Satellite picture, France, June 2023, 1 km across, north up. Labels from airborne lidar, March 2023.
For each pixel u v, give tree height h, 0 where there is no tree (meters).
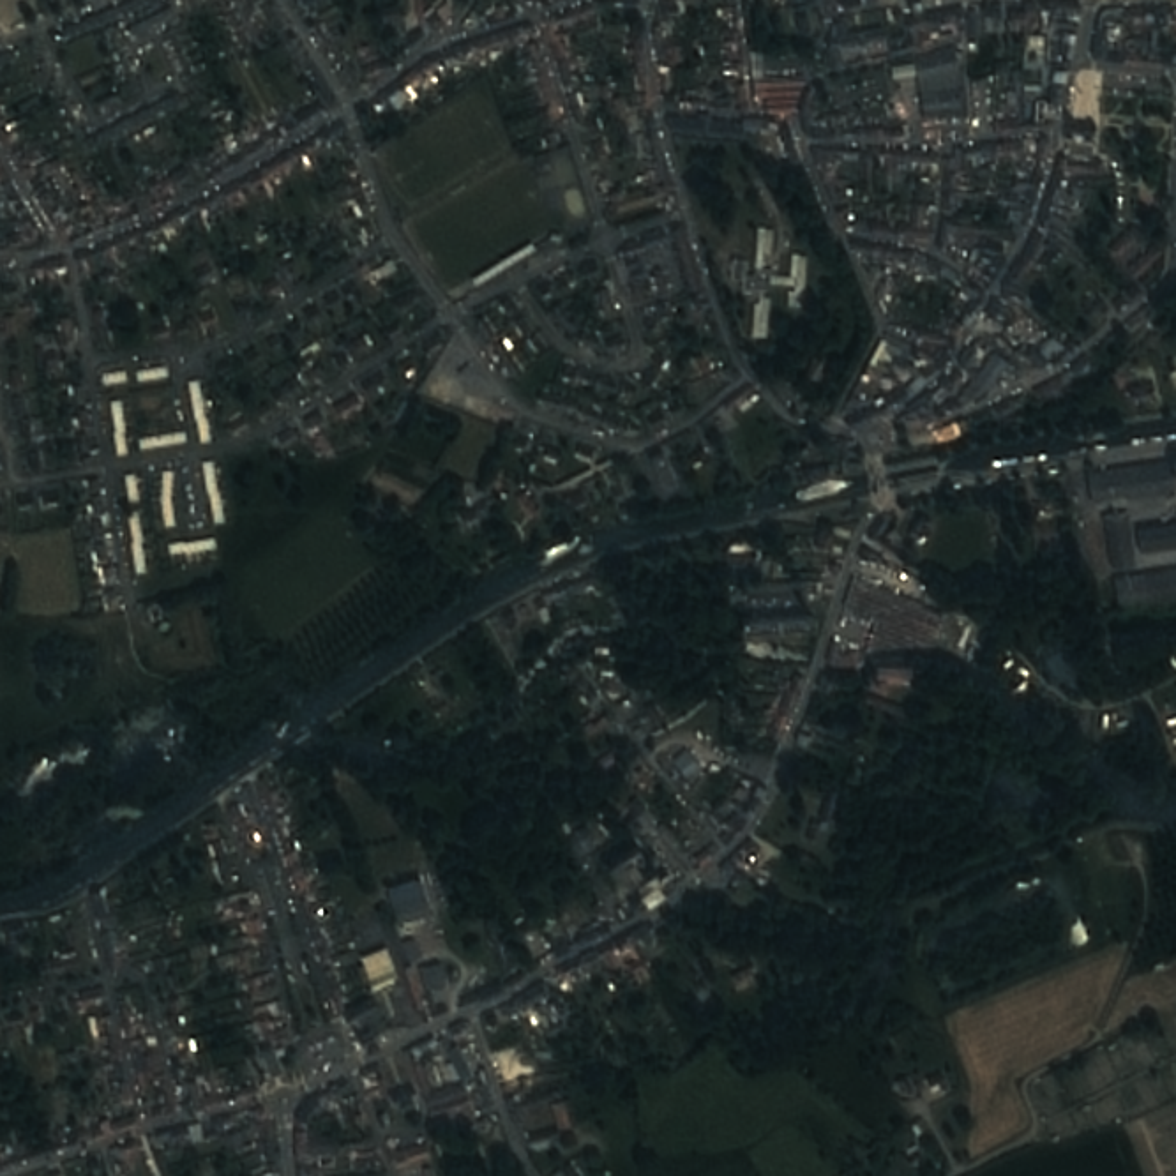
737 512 0
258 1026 0
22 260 0
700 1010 27
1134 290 0
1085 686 12
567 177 0
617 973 13
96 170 6
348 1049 0
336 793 21
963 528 0
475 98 0
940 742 18
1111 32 0
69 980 8
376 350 0
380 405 6
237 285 0
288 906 0
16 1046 0
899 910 0
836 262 18
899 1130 15
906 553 12
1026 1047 0
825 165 0
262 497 0
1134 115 0
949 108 0
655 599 15
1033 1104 0
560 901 6
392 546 6
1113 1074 0
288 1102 0
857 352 8
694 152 8
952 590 23
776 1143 0
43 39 0
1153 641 28
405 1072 0
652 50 0
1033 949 10
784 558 6
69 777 17
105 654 0
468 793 13
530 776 9
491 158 0
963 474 0
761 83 0
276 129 0
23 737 0
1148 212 19
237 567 0
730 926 26
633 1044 10
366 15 8
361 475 0
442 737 9
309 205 0
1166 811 0
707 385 0
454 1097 0
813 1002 24
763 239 0
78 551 6
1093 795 20
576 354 0
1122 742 10
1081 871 0
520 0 0
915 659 15
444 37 0
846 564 0
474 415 0
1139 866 0
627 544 0
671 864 0
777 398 0
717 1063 0
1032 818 8
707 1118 0
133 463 0
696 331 10
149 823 0
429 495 7
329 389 0
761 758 0
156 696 0
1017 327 0
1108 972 0
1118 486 0
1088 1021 0
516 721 11
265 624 0
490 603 0
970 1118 14
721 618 20
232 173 0
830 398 14
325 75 0
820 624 0
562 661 10
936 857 13
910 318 0
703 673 8
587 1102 0
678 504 12
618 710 0
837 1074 0
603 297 0
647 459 0
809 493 0
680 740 0
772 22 13
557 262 0
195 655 0
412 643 0
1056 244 0
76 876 0
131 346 0
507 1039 0
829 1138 0
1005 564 16
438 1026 0
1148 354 0
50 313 6
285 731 0
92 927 0
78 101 0
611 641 7
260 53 12
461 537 0
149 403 0
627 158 0
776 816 0
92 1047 0
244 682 7
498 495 10
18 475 0
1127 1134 0
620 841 9
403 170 0
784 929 25
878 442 0
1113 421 20
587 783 21
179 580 0
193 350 0
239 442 0
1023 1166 0
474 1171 25
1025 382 0
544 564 0
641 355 0
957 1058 0
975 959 12
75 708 0
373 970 0
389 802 11
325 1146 0
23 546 0
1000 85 15
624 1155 0
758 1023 14
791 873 0
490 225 0
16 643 0
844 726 16
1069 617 26
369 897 0
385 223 0
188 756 20
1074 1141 0
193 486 0
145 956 0
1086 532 0
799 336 21
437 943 0
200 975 0
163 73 0
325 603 0
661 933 10
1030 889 0
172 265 8
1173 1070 0
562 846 6
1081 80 0
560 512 6
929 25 0
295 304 0
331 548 0
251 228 0
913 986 0
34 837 10
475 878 16
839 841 7
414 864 0
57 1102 0
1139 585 0
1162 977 0
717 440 14
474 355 0
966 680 19
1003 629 22
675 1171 0
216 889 7
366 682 0
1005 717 17
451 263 0
